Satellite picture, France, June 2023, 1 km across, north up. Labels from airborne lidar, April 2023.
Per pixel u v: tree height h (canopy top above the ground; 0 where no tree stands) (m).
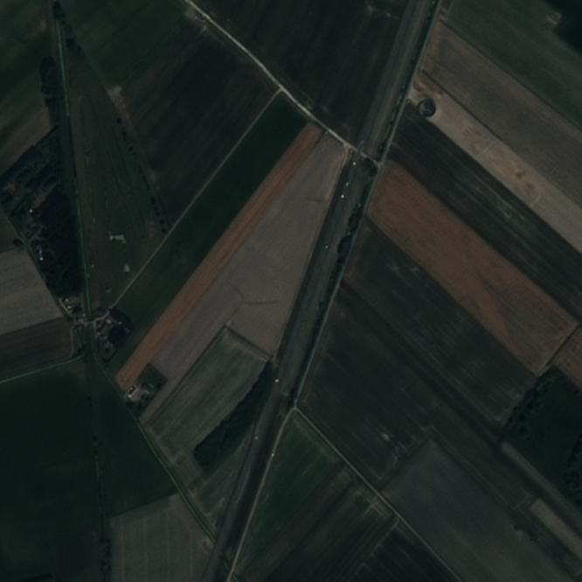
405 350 0
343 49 0
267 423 0
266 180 0
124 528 0
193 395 0
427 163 0
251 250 0
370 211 0
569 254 0
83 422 0
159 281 0
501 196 0
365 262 0
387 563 0
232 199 0
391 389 0
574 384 0
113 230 0
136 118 0
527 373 0
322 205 0
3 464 0
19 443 0
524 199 0
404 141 0
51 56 0
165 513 0
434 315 0
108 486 0
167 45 0
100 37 0
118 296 0
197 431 0
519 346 0
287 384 0
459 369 0
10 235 0
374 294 0
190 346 0
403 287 0
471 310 0
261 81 0
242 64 0
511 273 0
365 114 0
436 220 0
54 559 0
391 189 0
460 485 0
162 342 0
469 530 0
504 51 0
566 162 0
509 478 0
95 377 0
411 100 0
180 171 0
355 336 0
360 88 0
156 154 0
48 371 0
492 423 0
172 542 0
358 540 0
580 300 0
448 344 0
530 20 0
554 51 0
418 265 0
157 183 0
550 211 0
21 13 0
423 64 0
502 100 0
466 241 0
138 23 0
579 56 0
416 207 0
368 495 0
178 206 0
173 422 0
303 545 0
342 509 0
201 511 0
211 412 0
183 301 0
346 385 0
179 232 0
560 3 0
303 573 0
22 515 0
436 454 0
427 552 0
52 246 26
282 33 0
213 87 0
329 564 0
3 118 0
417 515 0
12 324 0
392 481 0
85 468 0
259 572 0
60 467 0
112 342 21
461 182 0
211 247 0
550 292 0
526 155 0
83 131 0
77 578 0
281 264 0
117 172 0
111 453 0
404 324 0
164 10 0
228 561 0
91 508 0
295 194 0
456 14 0
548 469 0
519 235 0
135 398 0
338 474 0
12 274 0
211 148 0
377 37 0
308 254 0
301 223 0
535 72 0
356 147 0
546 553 0
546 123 0
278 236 0
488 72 0
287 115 0
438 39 0
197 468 0
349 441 0
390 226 0
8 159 0
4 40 0
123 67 0
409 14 0
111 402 0
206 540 0
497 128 0
